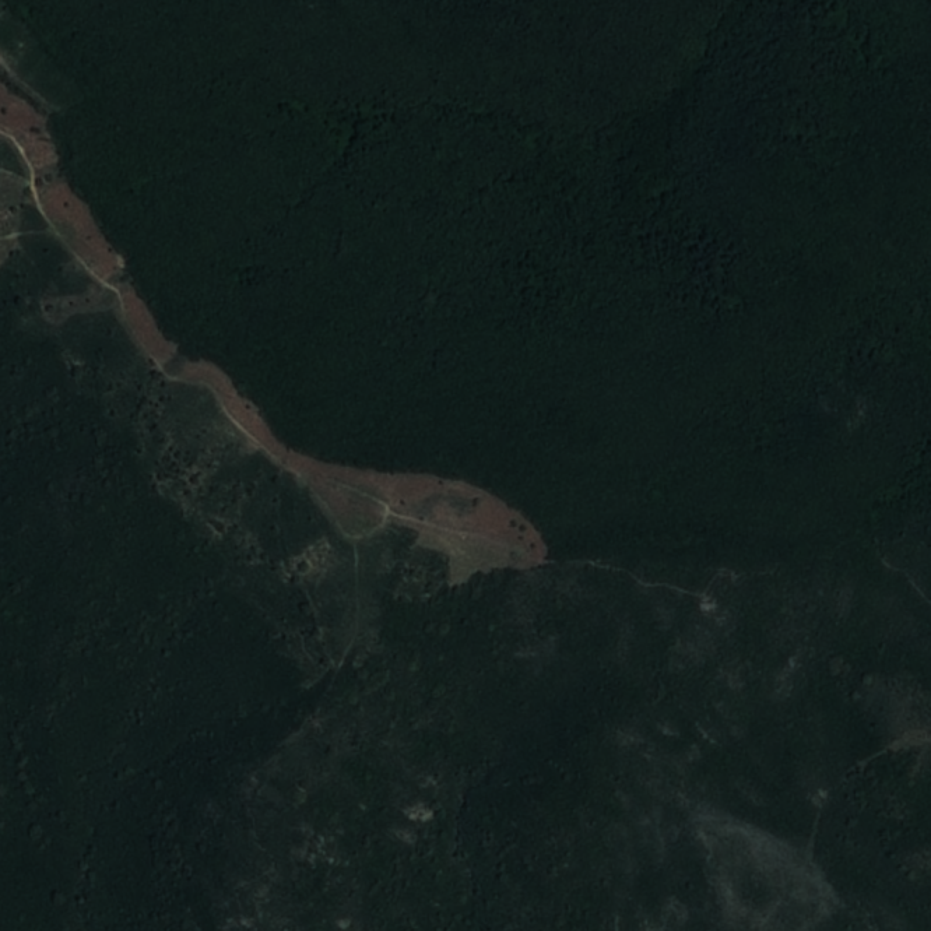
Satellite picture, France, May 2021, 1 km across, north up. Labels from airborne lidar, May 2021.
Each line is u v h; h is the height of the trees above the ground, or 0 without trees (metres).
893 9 7
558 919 11
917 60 8
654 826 0
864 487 6
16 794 6
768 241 7
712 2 8
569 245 8
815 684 6
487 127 6
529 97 6
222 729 6
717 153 6
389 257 6
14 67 0
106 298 0
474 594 10
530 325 11
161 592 6
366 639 0
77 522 6
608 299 7
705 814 0
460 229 8
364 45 5
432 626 12
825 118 7
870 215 6
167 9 6
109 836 6
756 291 7
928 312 7
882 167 7
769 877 0
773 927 0
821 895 0
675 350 5
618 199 11
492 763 12
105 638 6
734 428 8
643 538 7
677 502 6
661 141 12
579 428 6
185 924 11
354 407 6
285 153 7
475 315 7
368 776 8
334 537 0
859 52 15
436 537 0
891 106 6
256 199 6
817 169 8
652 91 6
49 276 0
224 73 9
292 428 6
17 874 7
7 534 6
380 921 8
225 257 7
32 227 0
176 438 0
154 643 11
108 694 6
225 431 0
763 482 6
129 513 6
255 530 0
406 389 6
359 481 0
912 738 0
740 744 6
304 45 6
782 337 6
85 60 7
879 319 7
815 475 6
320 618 0
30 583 5
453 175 6
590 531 6
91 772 5
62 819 11
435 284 8
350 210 6
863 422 6
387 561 0
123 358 0
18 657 8
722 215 6
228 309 6
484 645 5
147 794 6
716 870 0
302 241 6
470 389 6
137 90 6
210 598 6
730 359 6
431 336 6
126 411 0
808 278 6
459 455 6
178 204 5
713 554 6
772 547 6
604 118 6
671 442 6
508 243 7
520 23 6
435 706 13
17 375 13
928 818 6
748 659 6
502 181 10
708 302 10
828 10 13
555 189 7
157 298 6
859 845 6
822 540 6
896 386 6
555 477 5
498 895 7
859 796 9
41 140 0
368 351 5
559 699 5
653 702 8
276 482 9
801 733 7
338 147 6
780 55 7
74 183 6
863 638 6
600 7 7
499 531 0
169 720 8
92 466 7
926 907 6
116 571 6
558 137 12
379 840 9
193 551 8
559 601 8
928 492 7
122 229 6
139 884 6
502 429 5
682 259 14
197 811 5
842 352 7
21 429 6
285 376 6
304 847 0
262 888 0
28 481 6
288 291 6
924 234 7
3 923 6
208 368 0
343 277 6
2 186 0
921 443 9
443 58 5
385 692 10
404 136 7
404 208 10
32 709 7
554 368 6
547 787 6
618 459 5
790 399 8
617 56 7
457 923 6
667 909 0
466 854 12
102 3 8
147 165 7
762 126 6
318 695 5
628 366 6
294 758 0
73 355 0
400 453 6
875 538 8
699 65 12
